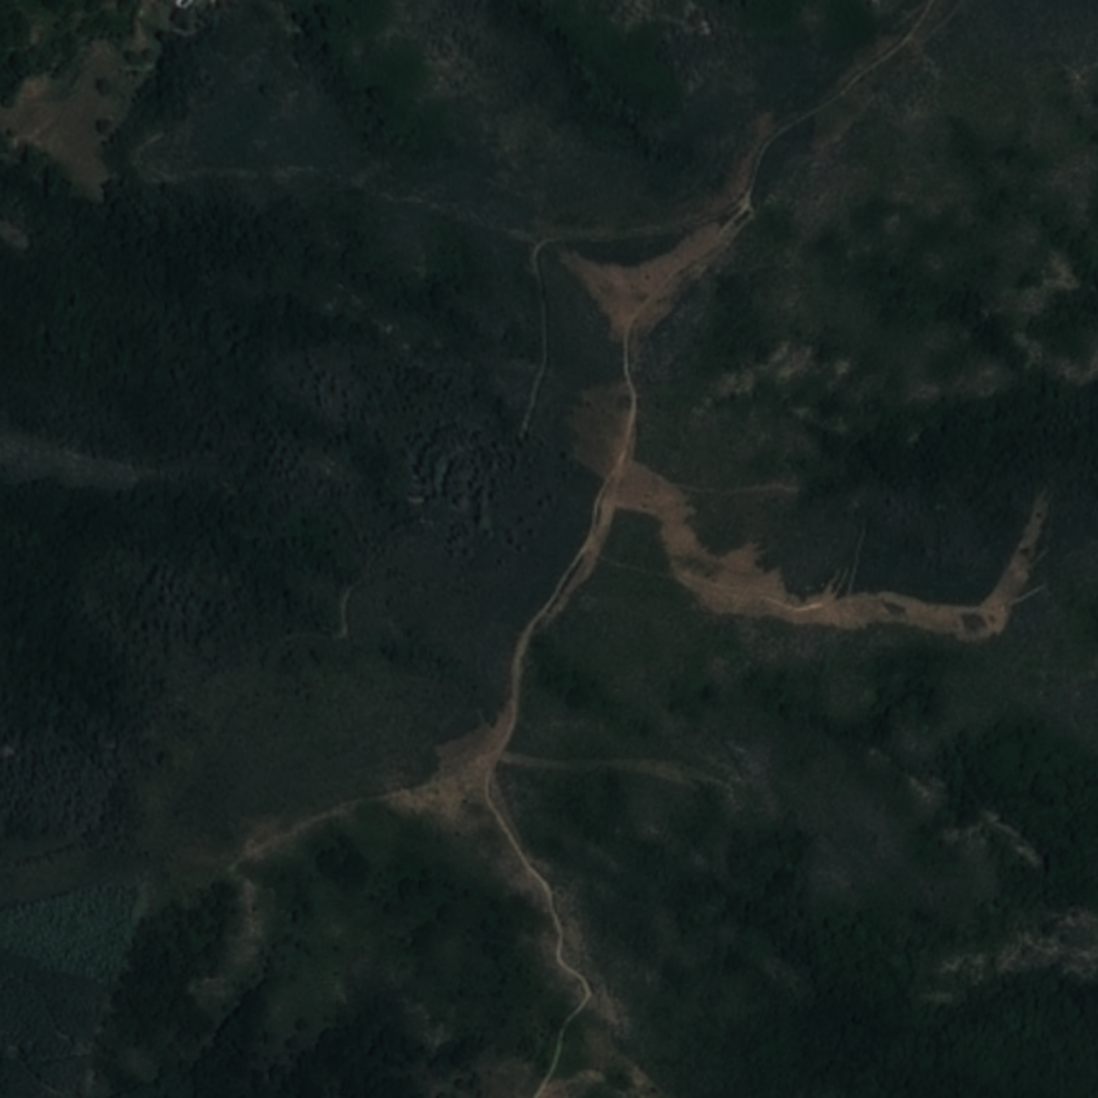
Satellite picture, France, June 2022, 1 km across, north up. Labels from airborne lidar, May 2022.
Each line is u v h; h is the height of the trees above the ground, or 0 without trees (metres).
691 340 0
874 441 9
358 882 7
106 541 10
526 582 0
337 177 0
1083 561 0
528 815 0
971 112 0
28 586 9
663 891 7
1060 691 0
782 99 0
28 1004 16
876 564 0
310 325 17
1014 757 0
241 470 6
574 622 0
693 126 0
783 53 0
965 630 0
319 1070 12
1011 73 0
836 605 0
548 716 0
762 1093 8
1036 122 0
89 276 8
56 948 14
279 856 0
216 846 0
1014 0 0
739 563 0
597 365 0
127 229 13
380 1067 14
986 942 10
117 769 12
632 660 0
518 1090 0
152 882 0
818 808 0
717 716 0
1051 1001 17
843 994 12
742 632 0
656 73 0
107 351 9
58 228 11
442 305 7
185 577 12
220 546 14
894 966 8
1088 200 0
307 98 0
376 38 0
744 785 0
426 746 0
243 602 5
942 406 11
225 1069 18
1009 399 14
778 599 0
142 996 10
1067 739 0
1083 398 9
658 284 0
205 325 12
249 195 0
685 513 0
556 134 0
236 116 0
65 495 22
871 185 0
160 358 8
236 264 10
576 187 0
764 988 7
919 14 0
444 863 0
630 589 0
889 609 0
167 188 10
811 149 0
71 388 9
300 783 0
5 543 9
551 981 0
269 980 12
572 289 0
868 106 0
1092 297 9
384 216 0
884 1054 8
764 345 6
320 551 10
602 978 0
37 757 13
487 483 8
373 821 0
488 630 0
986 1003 17
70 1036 16
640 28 0
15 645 13
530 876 0
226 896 11
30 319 16
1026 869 17
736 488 0
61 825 12
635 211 0
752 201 0
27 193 14
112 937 15
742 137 0
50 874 0
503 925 6
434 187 0
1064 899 9
